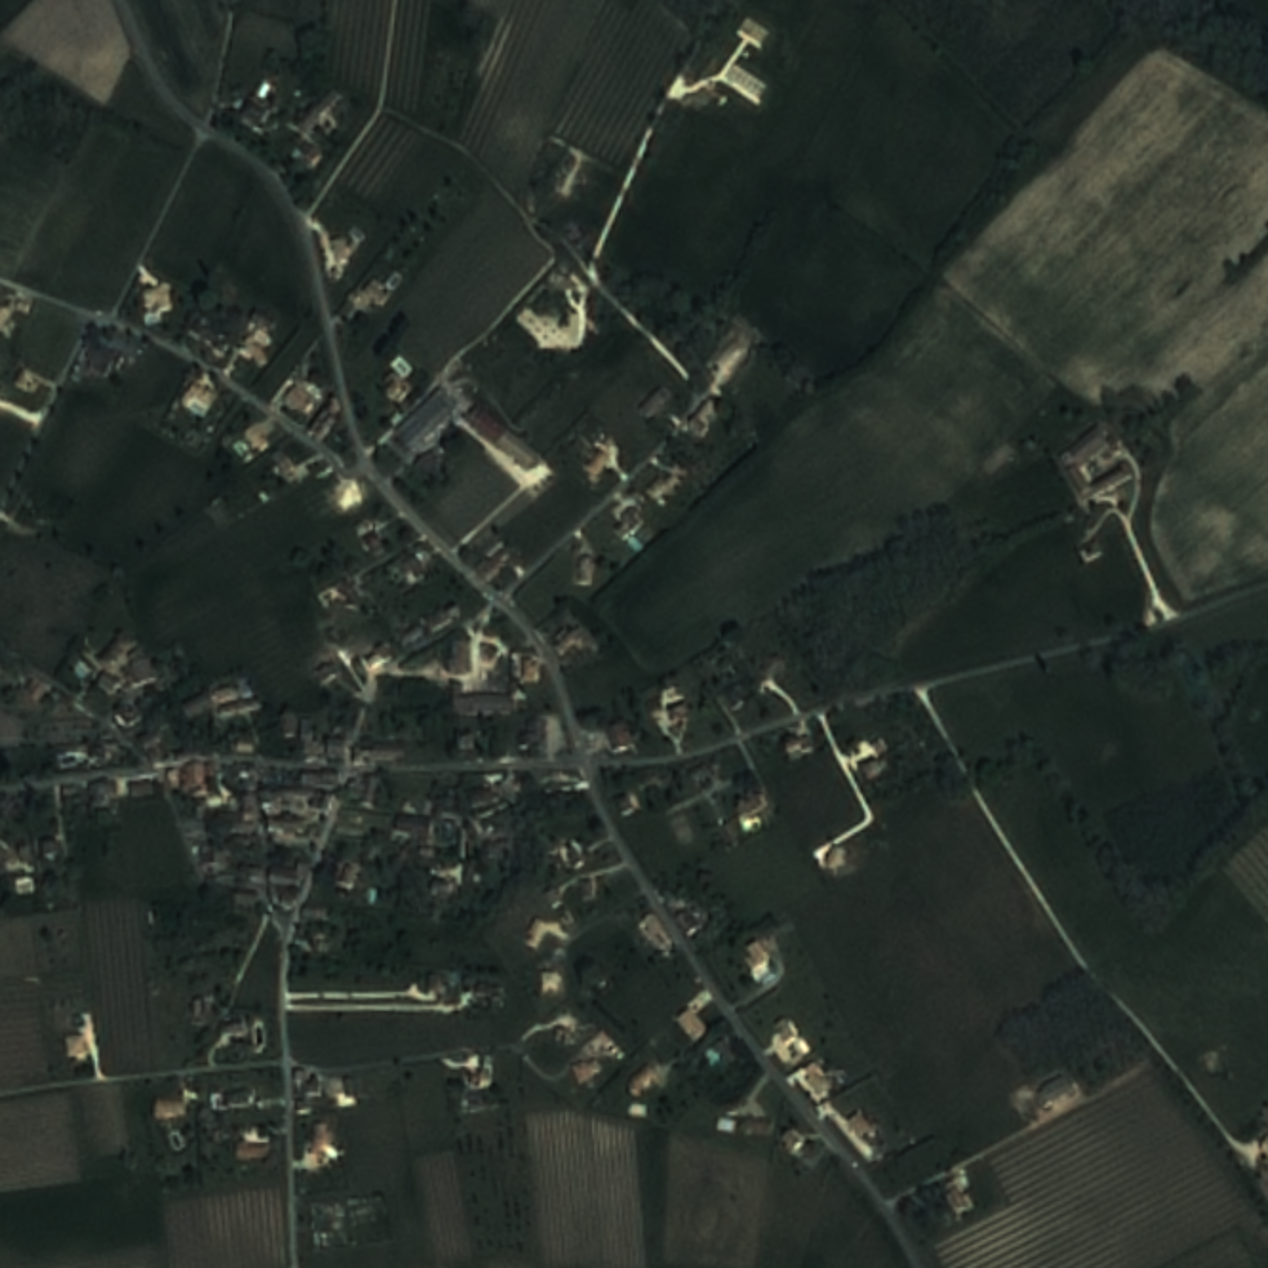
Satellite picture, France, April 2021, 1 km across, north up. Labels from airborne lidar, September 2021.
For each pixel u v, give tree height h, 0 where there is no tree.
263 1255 0
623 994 0
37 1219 0
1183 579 0
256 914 6
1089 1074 17
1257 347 0
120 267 0
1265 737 0
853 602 14
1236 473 0
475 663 0
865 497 0
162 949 7
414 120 0
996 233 0
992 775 12
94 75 0
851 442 0
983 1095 0
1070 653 0
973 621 0
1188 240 0
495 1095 8
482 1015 6
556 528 0
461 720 13
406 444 0
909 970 0
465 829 7
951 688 0
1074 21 0
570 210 0
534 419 0
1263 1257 0
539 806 7
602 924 0
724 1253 0
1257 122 0
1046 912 0
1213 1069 0
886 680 19
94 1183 0
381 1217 0
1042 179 0
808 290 0
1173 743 0
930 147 0
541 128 0
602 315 8
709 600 0
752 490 0
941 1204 8
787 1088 0
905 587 19
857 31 0
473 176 0
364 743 7
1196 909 0
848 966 0
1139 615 0
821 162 0
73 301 0
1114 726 0
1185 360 0
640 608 0
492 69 0
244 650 0
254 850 9
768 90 0
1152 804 9
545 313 0
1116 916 0
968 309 0
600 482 0
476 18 11
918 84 0
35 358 0
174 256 0
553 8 0
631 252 0
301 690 0
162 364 0
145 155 0
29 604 0
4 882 6
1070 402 0
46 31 0
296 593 0
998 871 0
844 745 5
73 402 0
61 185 0
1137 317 0
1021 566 0
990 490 0
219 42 0
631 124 0
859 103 0
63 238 0
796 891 0
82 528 0
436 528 0
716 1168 0
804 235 0
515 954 0
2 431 0
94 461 0
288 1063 0
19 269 0
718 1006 0
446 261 0
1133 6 24
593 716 9
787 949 0
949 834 0
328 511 0
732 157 0
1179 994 0
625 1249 0
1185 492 0
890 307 0
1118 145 0
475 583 0
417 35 0
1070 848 0
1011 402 0
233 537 0
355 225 0
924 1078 0
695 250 0
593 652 9
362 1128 0
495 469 0
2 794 7
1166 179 0
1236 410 0
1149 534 0
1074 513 7
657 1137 0
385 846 12
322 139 6
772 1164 0
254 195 0
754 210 0
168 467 0
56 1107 0
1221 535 0
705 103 0
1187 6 18
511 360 0
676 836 0
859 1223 0
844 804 0
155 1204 0
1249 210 0
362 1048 0
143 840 0
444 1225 0
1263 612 0
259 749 6
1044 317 0
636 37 0
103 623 0
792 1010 0
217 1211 0
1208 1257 0
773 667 0
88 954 0
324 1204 0
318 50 6
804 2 0
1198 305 0
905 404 0
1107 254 0
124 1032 0
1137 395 0
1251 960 0
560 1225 0
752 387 0
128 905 0
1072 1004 17
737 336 0
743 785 8
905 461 0
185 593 0
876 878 0
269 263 0
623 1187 0
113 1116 0
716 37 16
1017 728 0
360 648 0
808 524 0
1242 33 25
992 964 0
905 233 0
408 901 14
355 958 8
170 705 6
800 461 0
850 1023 0
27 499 0
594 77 0
